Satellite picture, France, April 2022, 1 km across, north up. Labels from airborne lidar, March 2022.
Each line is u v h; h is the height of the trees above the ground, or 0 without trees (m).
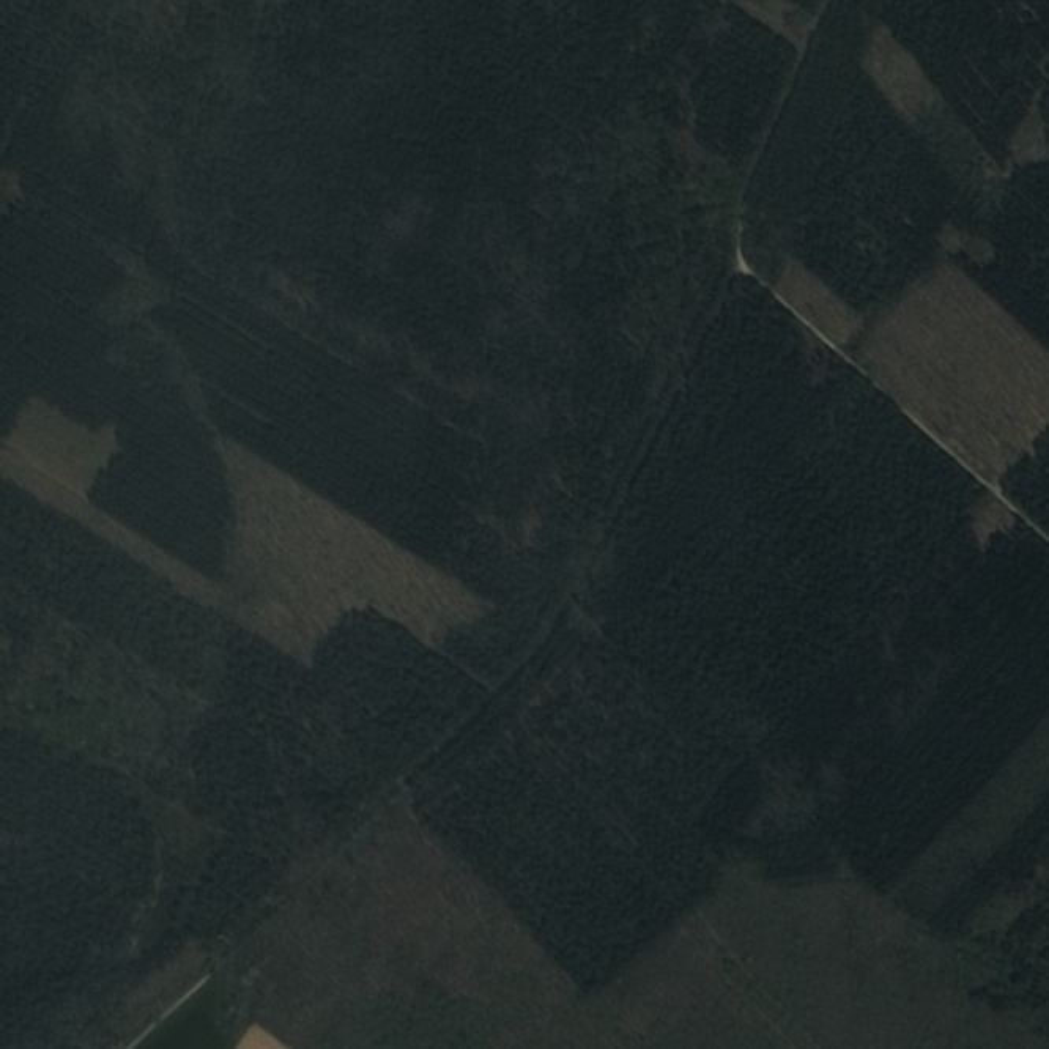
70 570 23
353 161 23
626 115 19
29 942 23
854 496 24
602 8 25
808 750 22
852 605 23
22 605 25
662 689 27
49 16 19
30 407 18
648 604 24
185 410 16
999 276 19
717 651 19
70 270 15
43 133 21
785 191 14
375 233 26
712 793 25
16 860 20
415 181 21
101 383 17
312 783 20
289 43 23
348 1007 17
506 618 20
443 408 20
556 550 19
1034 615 17
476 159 19
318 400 17
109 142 17
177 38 15
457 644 21
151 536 20
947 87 20
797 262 21
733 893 16
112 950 24
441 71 23
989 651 16
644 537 26
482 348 23
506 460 24
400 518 17
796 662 26
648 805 19
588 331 21
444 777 18
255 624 0
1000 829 19
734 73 22
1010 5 13
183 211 21
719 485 25
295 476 21
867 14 19
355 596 0
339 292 23
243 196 25
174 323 15
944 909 16
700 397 23
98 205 16
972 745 14
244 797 23
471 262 21
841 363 26
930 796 16
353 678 16
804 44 0
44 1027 26
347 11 24
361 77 17
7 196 0
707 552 31
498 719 20
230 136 18
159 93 21
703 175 11
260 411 15
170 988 0
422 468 16
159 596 18
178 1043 0
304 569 0
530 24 23
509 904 17
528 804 21
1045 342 21
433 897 0
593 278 22
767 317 28
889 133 16
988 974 14
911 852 17
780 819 18
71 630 21
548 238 17
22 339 17
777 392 20
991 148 15
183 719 17
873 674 21
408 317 23
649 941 23
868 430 29
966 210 20
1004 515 0
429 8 24
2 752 18
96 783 16
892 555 24
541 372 24
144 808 20
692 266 14
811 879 19
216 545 17
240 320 19
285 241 27
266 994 18
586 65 24
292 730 17
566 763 17
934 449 24
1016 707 17
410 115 24
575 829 19
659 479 20
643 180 18
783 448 23
